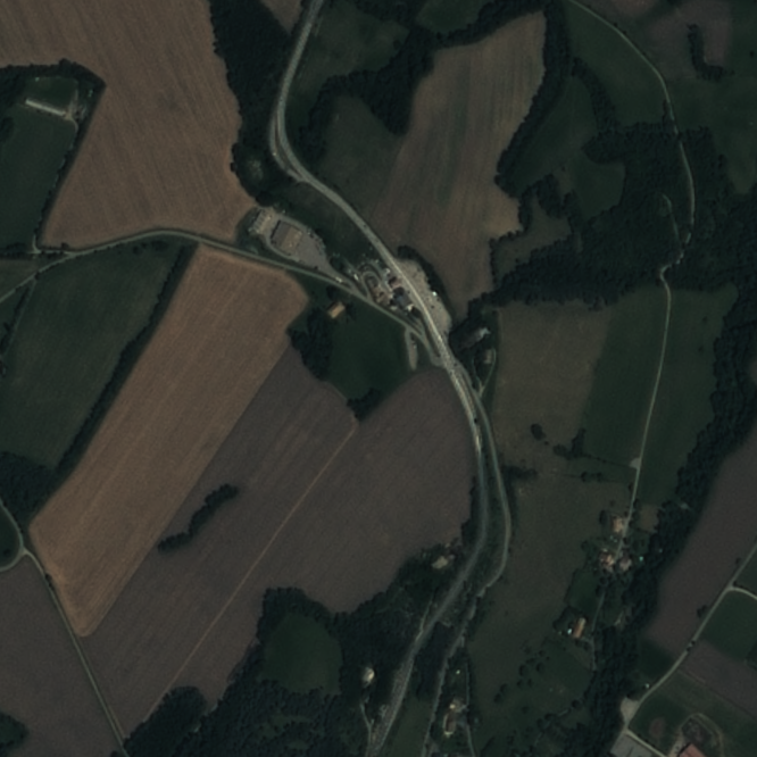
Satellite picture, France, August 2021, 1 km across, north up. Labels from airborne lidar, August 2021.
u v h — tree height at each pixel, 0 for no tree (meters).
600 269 7
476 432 0
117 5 0
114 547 0
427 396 0
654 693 0
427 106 0
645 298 0
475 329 8
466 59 0
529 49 0
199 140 0
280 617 14
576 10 0
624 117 0
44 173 0
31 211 0
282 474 0
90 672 0
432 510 0
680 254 7
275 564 0
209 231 0
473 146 0
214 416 0
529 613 0
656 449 0
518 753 7
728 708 0
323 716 12
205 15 0
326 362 12
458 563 8
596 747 11
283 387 0
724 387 15
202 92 0
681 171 13
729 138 0
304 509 0
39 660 0
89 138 0
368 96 16
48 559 0
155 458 0
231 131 0
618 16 0
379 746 0
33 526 0
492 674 0
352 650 14
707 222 9
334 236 0
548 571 0
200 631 0
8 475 15
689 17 0
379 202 0
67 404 0
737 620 0
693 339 0
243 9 12
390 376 0
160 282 0
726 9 0
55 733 0
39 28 0
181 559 0
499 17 19
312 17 0
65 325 0
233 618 0
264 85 12
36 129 0
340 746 11
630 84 0
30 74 10
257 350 0
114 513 0
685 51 0
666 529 14
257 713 16
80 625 0
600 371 0
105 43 0
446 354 0
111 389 11
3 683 0
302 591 10
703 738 0
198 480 0
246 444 0
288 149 0
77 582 0
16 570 0
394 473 0
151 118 0
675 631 0
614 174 0
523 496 0
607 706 15
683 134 13
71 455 13
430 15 0
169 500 0
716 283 14
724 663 0
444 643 10
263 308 0
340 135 0
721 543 0
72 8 0
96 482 0
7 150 0
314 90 0
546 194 17
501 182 16
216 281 0
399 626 8
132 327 0
